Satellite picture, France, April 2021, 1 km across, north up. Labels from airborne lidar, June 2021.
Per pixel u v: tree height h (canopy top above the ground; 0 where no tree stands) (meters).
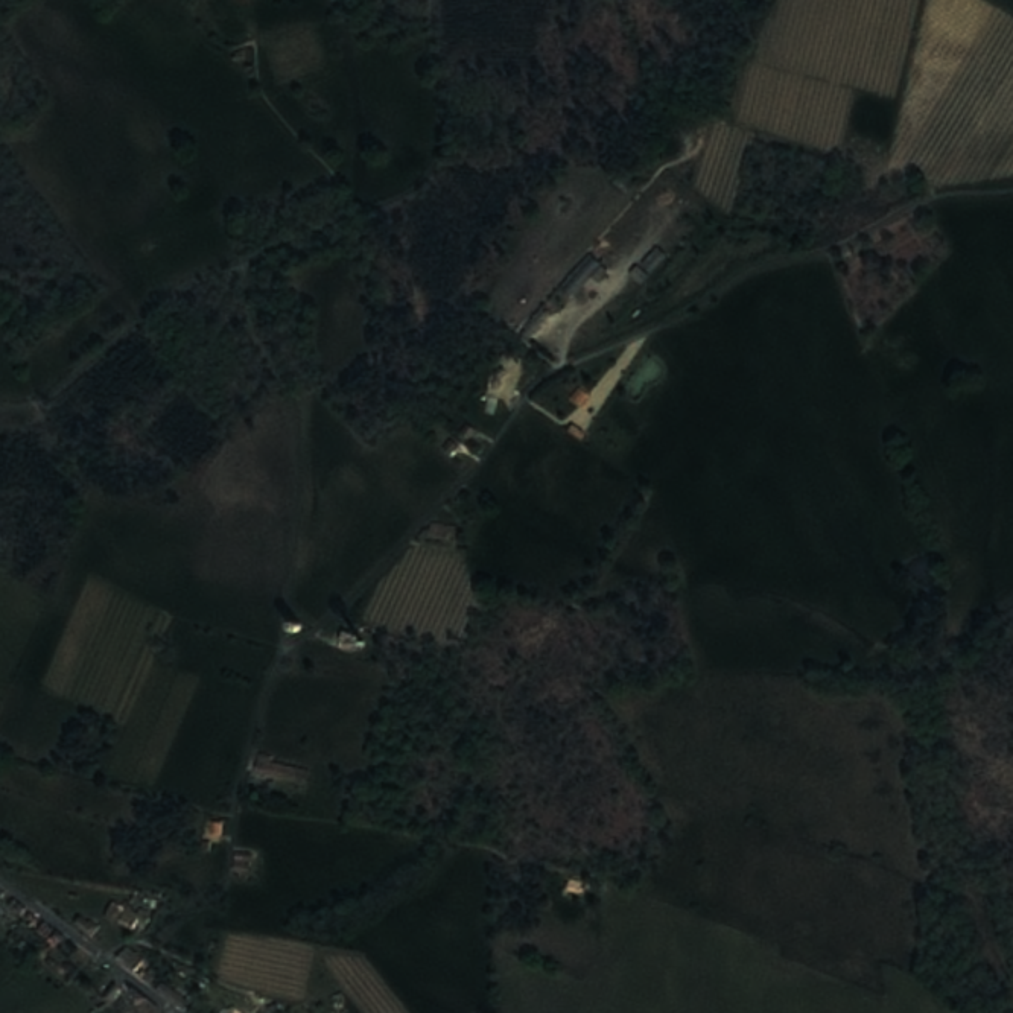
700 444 0
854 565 0
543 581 0
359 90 0
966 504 0
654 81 15
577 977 0
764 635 0
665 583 17
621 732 13
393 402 21
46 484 8
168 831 23
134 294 0
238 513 0
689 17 28
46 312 18
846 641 0
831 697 13
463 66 11
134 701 0
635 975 0
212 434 8
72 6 0
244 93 0
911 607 0
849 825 0
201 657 0
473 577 0
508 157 14
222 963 0
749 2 10
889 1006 0
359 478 0
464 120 17
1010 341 0
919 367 0
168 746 0
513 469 0
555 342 0
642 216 0
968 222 0
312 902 0
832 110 0
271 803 11
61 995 0
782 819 0
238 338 9
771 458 0
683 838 0
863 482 0
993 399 0
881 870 0
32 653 0
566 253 0
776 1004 0
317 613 0
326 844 0
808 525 0
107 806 0
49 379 0
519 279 0
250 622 0
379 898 17
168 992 0
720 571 0
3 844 15
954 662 18
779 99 0
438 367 17
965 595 0
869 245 14
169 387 17
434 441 11
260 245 11
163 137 0
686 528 0
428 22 8
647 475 0
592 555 0
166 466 15
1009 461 0
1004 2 0
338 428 0
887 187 12
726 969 0
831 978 0
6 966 0
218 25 0
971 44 0
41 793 0
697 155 0
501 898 17
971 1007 20
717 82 19
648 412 0
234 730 0
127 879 0
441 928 0
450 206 6
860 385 0
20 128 19
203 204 0
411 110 0
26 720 0
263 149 0
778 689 0
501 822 16
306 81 0
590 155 11
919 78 0
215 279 11
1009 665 9
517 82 17
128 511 0
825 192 14
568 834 10
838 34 0
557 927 0
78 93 0
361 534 0
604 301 0
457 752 16
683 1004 0
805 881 0
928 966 14
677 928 0
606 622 16
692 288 0
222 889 10
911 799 14
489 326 13
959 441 0
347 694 0
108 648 0
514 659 15
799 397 0
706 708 0
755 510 0
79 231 0
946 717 21
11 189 10
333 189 16
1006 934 21
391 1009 0
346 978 0
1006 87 0
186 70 0
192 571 0
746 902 0
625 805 11
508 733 13
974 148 0
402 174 0
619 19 12
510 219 13
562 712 10
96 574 0
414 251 7
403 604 0
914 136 0
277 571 0
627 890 13
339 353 0
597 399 0
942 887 15
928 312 0
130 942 11
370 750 10
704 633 0
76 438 15
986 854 10
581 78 12
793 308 0
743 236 7
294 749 0
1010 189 0
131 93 0
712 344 0
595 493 0
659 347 0
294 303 16
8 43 17
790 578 0
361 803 24
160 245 0
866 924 0
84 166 0
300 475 0
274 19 0
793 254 7
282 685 0
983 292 0
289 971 0
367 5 14
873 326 12
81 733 13
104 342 12
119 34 0
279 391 8
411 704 15
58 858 0
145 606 0
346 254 17
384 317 17
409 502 0
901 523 0
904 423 0
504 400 0
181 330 20
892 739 0
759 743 0
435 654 17
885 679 14
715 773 0
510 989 0
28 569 7
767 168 13
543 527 0
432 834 14
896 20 0
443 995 0
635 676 21
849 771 0
